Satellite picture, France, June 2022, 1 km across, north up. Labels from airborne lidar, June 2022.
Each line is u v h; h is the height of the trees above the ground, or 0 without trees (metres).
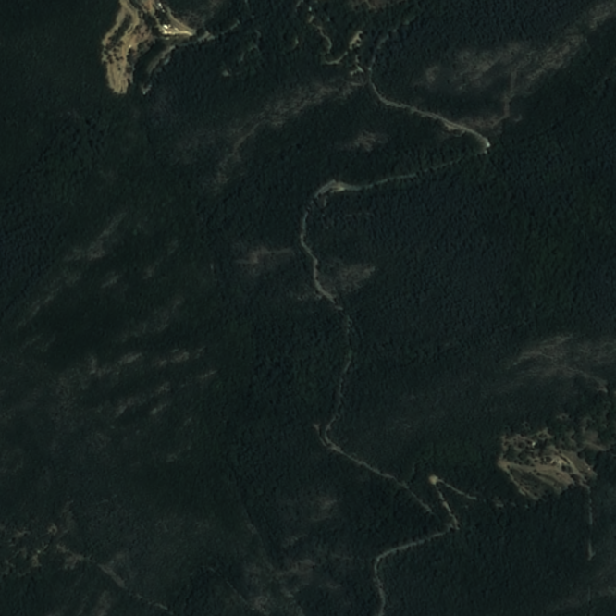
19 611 13
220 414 13
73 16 8
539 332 7
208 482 13
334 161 11
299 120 9
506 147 9
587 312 10
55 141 15
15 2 11
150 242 10
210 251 12
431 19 17
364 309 10
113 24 8
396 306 14
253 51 8
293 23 14
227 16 10
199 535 6
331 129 11
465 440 13
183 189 13
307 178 6
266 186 7
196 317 10
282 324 12
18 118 11
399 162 14
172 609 12
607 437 11
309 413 10
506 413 6
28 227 18
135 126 7
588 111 12
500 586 7
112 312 8
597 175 9
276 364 7
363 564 6
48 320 7
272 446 10
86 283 8
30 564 11
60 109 5
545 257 16
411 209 16
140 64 12
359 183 7
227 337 9
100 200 12
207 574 12
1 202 16
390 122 7
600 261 11
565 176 8
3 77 14
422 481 12
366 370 8
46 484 7
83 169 7
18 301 11
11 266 17
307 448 11
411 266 12
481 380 7
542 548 6
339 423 9
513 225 12
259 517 7
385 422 7
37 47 6
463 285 11
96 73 8
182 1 6
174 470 9
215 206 14
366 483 6
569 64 6
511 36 11
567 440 11
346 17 9
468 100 6
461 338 7
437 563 13
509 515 13
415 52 8
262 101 8
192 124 8
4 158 7
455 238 14
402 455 6
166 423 8
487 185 8
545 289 11
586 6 13
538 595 8
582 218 10
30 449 6
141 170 7
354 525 13
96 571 6
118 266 7
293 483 11
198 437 8
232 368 10
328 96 6
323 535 9
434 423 7
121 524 9
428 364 10
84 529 8
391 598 9
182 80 6
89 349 6
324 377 7
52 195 14
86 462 5
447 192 14
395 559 8
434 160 17
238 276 6
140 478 6
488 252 13
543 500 12
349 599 7
